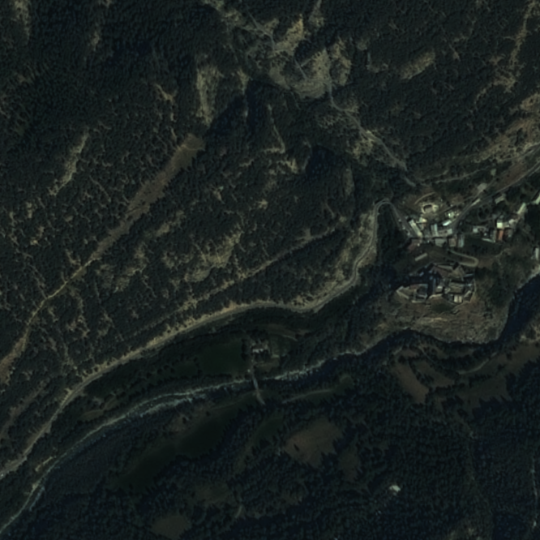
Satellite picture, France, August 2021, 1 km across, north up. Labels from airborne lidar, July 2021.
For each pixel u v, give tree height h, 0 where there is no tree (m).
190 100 15
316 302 0
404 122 16
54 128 19
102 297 19
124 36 28
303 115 9
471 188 13
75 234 15
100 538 12
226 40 15
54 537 24
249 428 19
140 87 17
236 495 15
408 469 18
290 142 18
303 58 9
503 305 10
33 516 15
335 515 21
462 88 19
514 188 8
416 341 9
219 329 9
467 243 0
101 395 10
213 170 11
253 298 14
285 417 10
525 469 15
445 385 0
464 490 9
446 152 16
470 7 11
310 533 28
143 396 13
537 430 20
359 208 14
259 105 11
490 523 6
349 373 11
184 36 17
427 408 10
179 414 14
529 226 9
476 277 12
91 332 8
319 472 8
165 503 26
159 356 12
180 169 0
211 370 0
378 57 13
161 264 14
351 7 24
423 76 13
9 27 19
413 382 0
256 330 9
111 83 25
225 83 15
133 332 11
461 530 6
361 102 14
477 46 15
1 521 8
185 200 15
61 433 20
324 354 16
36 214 19
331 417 16
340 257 9
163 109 11
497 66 6
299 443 0
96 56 18
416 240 0
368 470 12
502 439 13
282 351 0
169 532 0
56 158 14
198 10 19
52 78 27
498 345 18
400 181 16
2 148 20
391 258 10
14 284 17
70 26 17
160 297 17
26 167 15
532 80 11
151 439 19
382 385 22
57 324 13
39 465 10
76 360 12
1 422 19
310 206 17
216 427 0
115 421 0
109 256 7
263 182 15
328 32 18
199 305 11
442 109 21
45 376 12
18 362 8
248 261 10
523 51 9
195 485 14
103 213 18
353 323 20
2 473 0
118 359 12
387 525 14
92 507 13
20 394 16
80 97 19
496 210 13
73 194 13
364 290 9
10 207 17
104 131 20
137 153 19
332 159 17
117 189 13
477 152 11
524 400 13
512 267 0
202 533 18
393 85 15
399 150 8
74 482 13
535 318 11
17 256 17
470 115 14
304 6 16
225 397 20
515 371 0
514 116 9
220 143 21
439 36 16
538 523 8
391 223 9
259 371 7
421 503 9
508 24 7
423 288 0
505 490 14
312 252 20
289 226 14
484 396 0
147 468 0
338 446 0
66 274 8
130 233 9
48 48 21
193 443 0
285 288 8
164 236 12
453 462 19
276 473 21
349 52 18
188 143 0
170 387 12
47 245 12
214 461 23
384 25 13
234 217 12
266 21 14
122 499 19
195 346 17
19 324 10
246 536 24
